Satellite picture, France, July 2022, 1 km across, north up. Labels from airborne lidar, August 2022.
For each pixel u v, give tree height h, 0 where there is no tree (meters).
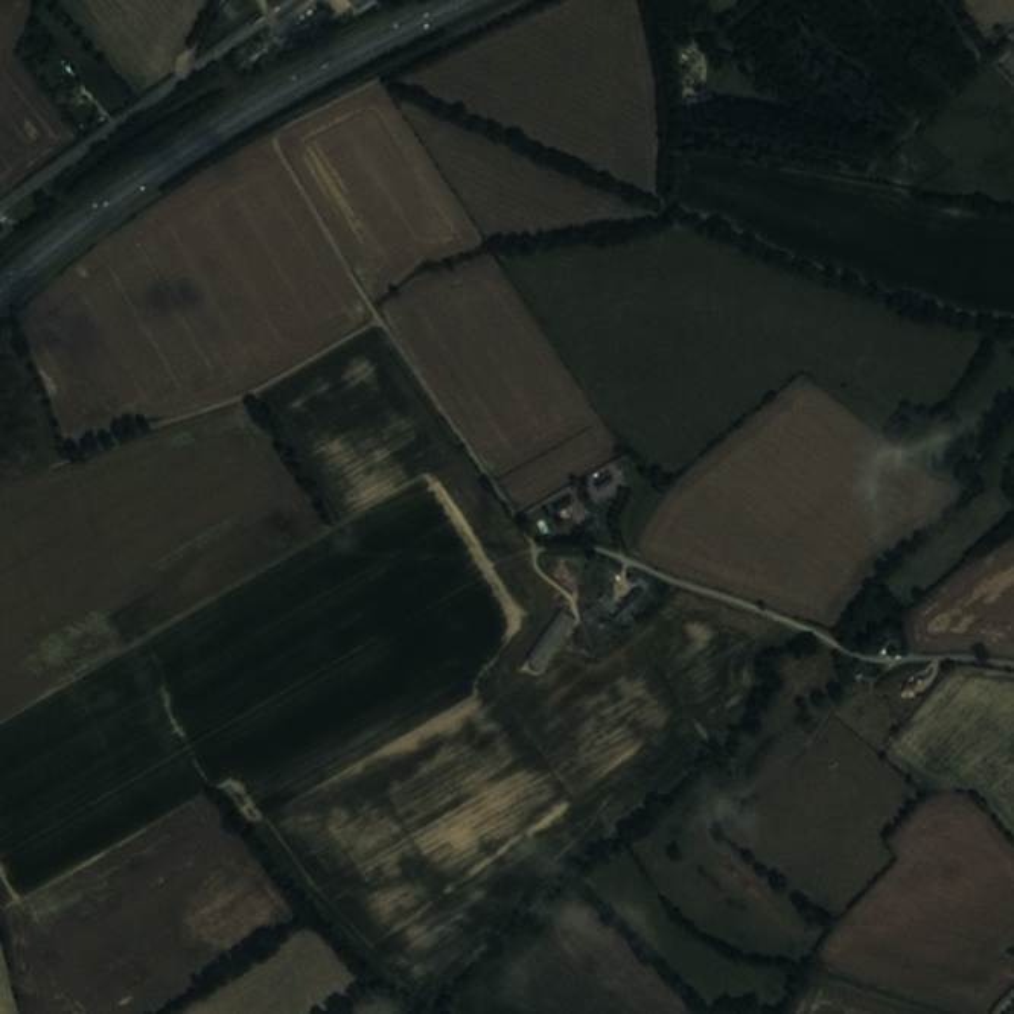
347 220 0
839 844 0
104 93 0
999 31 7
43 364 0
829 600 0
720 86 0
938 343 0
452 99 0
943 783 0
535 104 0
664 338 0
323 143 0
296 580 0
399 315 0
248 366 0
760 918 0
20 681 0
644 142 0
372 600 0
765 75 14
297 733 0
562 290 0
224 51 0
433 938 0
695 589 0
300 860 0
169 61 0
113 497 0
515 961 0
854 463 0
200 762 0
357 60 0
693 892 0
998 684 0
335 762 0
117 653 0
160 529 0
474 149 0
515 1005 0
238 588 0
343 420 0
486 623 0
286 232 0
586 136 0
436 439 0
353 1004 15
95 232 0
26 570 0
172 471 0
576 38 0
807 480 0
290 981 0
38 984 0
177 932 0
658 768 0
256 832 12
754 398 0
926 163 0
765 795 0
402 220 0
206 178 0
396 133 0
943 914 0
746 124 25
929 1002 0
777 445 0
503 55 0
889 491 0
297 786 0
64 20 10
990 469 0
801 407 0
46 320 0
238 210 0
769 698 17
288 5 0
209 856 0
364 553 0
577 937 0
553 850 0
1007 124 0
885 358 0
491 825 0
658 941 0
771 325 0
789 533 0
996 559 0
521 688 0
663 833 0
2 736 0
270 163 0
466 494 0
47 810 0
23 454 0
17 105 0
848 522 0
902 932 0
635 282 0
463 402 0
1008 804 0
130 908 0
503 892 0
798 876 0
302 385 0
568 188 0
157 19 0
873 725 0
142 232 0
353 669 0
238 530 0
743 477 0
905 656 7
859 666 6
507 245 14
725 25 17
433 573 0
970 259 0
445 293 0
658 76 11
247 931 0
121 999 0
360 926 0
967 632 0
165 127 7
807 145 20
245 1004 0
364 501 0
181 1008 11
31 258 0
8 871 0
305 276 0
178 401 0
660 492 6
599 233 17
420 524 0
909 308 18
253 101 0
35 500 0
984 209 22
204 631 0
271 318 0
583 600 0
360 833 0
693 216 7
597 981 0
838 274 16
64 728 0
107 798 0
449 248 0
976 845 0
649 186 0
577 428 0
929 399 0
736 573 0
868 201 0
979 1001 0
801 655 15
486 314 0
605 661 0
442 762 0
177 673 0
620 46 0
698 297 0
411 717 0
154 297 0
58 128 0
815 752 0
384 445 0
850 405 0
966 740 0
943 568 0
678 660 0
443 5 0
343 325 0
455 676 0
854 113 17
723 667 0
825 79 22
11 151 0
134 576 0
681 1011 0
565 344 0
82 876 0
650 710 0
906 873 0
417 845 0
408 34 0
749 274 0
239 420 0
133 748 0
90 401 0
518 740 0
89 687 0
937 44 20
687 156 15
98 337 0
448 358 0
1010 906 0
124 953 0
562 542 14
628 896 0
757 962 14
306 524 0
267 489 0
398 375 0
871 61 19
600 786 0
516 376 0
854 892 0
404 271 0
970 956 0
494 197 0
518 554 0
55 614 0
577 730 0
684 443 0
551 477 0
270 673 0
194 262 0
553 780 0
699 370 0
